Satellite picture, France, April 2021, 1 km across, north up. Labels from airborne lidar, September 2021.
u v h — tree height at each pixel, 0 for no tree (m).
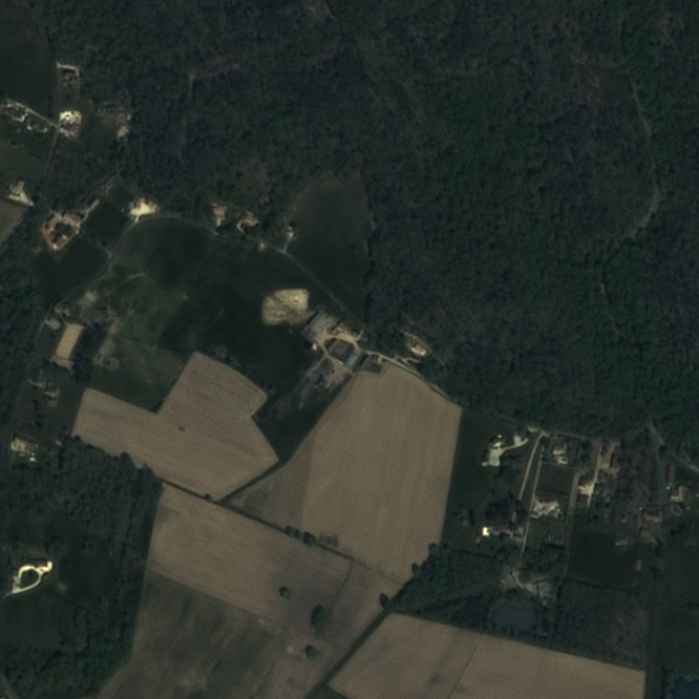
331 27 17
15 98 0
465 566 15
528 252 16
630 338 25
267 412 0
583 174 14
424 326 18
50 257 0
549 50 15
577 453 8
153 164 19
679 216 10
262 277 0
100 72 19
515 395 21
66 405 0
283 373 0
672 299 21
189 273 0
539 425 17
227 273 0
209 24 18
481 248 18
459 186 20
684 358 20
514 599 11
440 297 13
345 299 0
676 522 0
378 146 22
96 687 13
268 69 14
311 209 0
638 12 21
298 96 21
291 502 0
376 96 15
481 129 23
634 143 18
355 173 12
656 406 26
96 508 9
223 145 8
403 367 0
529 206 16
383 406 0
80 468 13
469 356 23
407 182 18
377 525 0
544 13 11
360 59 17
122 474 12
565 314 13
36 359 21
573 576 0
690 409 20
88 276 0
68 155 12
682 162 23
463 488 0
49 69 0
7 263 20
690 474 0
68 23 25
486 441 0
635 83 18
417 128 15
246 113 19
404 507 0
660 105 22
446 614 14
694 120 17
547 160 19
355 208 0
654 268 5
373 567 0
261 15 13
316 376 0
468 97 25
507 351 9
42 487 12
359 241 0
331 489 0
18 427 0
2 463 19
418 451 0
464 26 15
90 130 0
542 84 15
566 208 17
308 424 0
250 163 16
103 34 22
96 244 8
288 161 18
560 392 22
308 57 9
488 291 8
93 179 12
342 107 20
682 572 0
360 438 0
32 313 19
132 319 0
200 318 0
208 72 12
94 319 0
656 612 0
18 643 0
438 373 17
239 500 0
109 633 12
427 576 15
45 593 0
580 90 14
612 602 13
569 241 11
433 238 16
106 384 0
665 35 8
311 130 21
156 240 0
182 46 20
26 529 0
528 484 0
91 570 0
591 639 16
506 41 6
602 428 24
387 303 22
